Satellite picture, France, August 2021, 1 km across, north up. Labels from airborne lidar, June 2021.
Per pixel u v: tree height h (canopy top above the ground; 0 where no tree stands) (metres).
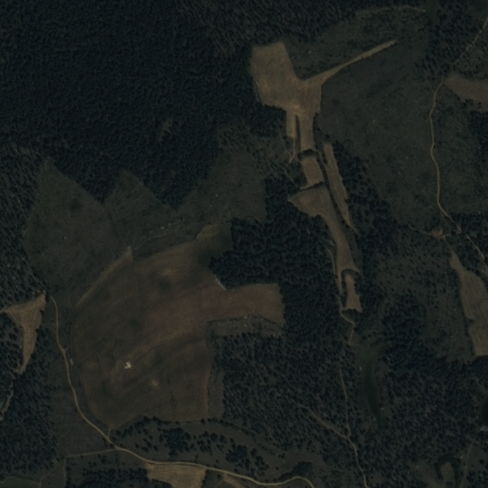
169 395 0
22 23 9
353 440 15
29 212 18
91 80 15
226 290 0
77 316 0
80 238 0
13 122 11
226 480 0
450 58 15
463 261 7
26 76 17
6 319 16
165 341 0
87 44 13
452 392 13
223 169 0
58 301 0
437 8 0
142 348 0
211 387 0
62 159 18
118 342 0
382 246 14
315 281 12
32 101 15
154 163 14
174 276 0
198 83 13
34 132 13
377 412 0
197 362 0
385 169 0
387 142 0
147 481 13
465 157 0
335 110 0
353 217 6
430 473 0
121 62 17
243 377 11
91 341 0
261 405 16
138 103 17
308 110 0
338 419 8
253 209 0
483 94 0
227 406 16
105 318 0
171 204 14
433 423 10
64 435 0
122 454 0
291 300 15
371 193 14
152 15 15
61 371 0
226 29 16
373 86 0
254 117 15
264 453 0
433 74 13
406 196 0
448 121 0
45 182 0
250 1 22
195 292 0
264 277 20
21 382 21
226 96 17
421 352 12
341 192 0
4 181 17
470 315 0
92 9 18
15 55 15
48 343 13
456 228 7
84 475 9
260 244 16
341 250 0
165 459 0
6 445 13
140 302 0
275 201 13
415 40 0
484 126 16
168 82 15
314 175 0
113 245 0
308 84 0
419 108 0
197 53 14
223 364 6
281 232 19
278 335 0
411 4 10
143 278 0
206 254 0
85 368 0
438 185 0
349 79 0
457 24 18
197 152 16
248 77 11
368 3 15
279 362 14
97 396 0
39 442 17
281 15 15
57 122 7
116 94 14
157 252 0
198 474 0
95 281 0
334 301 10
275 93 0
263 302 0
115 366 0
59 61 13
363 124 0
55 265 0
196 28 18
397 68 0
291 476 8
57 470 0
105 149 16
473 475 12
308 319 13
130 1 13
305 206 0
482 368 19
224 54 16
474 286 0
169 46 18
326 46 0
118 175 19
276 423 16
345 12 18
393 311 12
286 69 0
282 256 13
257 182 0
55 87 14
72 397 0
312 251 8
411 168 0
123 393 0
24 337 0
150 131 16
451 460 8
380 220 10
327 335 14
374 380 0
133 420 0
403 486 12
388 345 0
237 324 0
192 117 11
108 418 0
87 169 13
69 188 0
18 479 0
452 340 0
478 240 12
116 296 0
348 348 12
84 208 0
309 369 14
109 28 19
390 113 0
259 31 16
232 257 17
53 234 0
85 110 17
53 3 14
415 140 0
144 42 17
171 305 0
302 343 17
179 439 14
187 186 19
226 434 0
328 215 0
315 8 17
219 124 19
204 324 0
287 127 0
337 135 0
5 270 11
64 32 10
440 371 11
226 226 0
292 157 0
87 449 0
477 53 0
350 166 16
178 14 19
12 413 19
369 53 0
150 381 0
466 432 12
